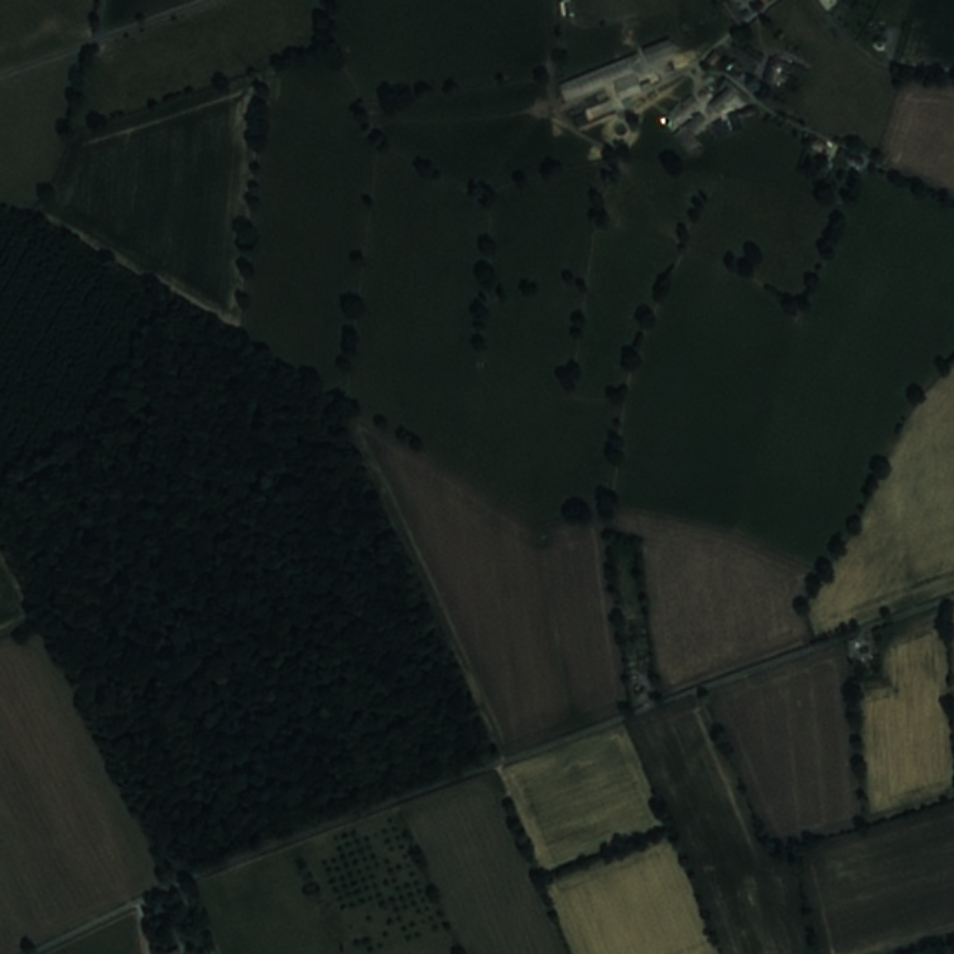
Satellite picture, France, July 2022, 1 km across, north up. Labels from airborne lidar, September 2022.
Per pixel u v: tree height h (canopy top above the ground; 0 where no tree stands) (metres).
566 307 0
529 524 0
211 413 23
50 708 0
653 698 13
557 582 0
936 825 0
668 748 0
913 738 0
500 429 0
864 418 0
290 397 25
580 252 0
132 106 0
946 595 0
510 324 0
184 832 29
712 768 0
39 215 12
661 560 0
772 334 0
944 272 0
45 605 19
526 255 0
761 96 13
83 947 0
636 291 0
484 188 12
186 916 13
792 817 0
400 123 0
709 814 0
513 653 0
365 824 0
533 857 13
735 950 0
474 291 0
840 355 0
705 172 0
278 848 0
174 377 20
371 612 19
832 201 14
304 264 0
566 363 0
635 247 0
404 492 0
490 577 0
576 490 0
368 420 0
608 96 0
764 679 0
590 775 0
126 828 0
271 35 0
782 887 0
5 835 0
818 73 0
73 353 9
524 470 0
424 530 0
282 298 0
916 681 0
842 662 0
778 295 8
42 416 7
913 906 0
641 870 0
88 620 24
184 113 0
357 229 0
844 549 20
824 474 0
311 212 0
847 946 0
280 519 24
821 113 0
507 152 0
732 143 0
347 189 0
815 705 0
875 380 0
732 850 0
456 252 0
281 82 0
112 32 0
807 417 0
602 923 0
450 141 0
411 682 21
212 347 22
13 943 0
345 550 18
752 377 0
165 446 21
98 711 17
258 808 23
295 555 17
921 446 0
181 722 23
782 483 0
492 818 0
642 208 0
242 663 25
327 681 21
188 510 23
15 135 0
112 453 20
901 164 0
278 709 21
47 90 0
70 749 0
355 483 17
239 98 0
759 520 0
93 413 23
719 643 0
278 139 0
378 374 0
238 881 0
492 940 0
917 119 0
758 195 0
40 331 12
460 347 0
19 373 10
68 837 0
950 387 0
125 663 27
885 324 0
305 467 22
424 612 21
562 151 0
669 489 0
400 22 0
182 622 23
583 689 0
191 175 0
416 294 0
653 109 0
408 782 17
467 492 0
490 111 0
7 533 22
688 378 0
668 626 0
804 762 0
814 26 0
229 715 13
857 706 20
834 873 0
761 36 0
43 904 0
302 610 23
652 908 0
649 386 0
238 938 0
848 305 0
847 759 0
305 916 0
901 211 0
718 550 0
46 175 0
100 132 22
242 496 15
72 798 0
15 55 0
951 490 0
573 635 0
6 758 0
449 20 0
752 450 0
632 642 6
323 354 0
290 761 22
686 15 0
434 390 0
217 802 25
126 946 0
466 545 0
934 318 0
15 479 22
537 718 0
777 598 0
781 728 0
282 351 0
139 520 24
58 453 24
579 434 0
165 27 0
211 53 0
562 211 0
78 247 10
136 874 0
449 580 0
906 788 0
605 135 0
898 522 0
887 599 0
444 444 0
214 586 24
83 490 24
